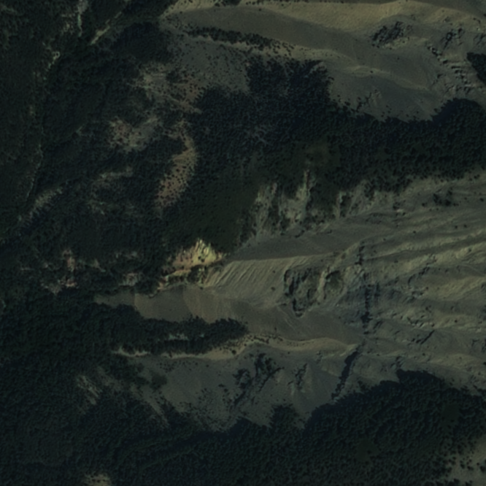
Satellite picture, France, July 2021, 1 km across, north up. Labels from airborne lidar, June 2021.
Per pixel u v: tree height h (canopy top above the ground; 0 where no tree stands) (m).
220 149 7
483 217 0
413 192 0
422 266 0
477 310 0
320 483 9
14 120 23
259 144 8
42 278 8
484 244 0
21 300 6
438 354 0
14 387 10
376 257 0
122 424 16
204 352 13
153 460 24
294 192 6
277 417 13
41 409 16
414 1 0
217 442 31
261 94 7
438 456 8
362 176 10
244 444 33
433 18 0
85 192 10
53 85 12
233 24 0
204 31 8
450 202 13
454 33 0
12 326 18
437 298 0
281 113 6
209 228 6
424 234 0
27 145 22
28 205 9
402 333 0
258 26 0
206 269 6
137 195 7
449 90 0
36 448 16
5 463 10
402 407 27
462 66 0
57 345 13
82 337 21
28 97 18
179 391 0
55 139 6
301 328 0
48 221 11
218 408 0
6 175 20
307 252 0
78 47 10
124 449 27
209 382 0
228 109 11
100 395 9
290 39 0
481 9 0
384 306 0
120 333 22
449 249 0
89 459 16
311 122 31
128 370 8
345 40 0
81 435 23
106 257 7
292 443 18
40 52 22
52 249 16
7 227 6
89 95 22
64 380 14
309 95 7
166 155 6
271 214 8
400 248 0
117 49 15
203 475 12
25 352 22
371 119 21
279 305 0
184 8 0
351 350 0
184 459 8
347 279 0
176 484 8
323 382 0
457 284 0
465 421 19
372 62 0
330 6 0
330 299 0
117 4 19
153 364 0
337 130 28
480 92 0
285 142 7
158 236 6
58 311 6
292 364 0
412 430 28
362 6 0
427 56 0
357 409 33
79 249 12
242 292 0
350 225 0
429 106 0
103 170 9
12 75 25
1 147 18
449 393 23
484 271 0
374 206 0
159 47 16
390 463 13
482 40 0
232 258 0
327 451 26
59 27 9
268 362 14
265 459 17
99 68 7
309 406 0
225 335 14
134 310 14
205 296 0
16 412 13
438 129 26
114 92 12
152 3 21
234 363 0
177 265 0
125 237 12
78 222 10
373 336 0
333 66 0
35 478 22
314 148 0
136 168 14
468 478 0
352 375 0
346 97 0
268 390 0
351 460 17
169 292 0
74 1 15
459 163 16
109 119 8
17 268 7
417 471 19
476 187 0
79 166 10
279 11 0
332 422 32
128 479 20
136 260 6
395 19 0
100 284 12
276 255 0
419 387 28
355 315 0
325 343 0
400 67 0
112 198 10
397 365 0
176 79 6
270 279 0
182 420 12
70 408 16
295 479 13
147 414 10
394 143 25
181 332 10
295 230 0
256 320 0
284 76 9
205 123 13
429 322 0
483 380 0
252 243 0
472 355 0
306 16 0
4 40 20
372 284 0
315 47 0
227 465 38
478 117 32
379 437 30
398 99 0
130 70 13
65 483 22
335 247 0
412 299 0
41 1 9
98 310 17
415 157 16
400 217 0
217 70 0
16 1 21
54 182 20
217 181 6
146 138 0
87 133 9
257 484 7
